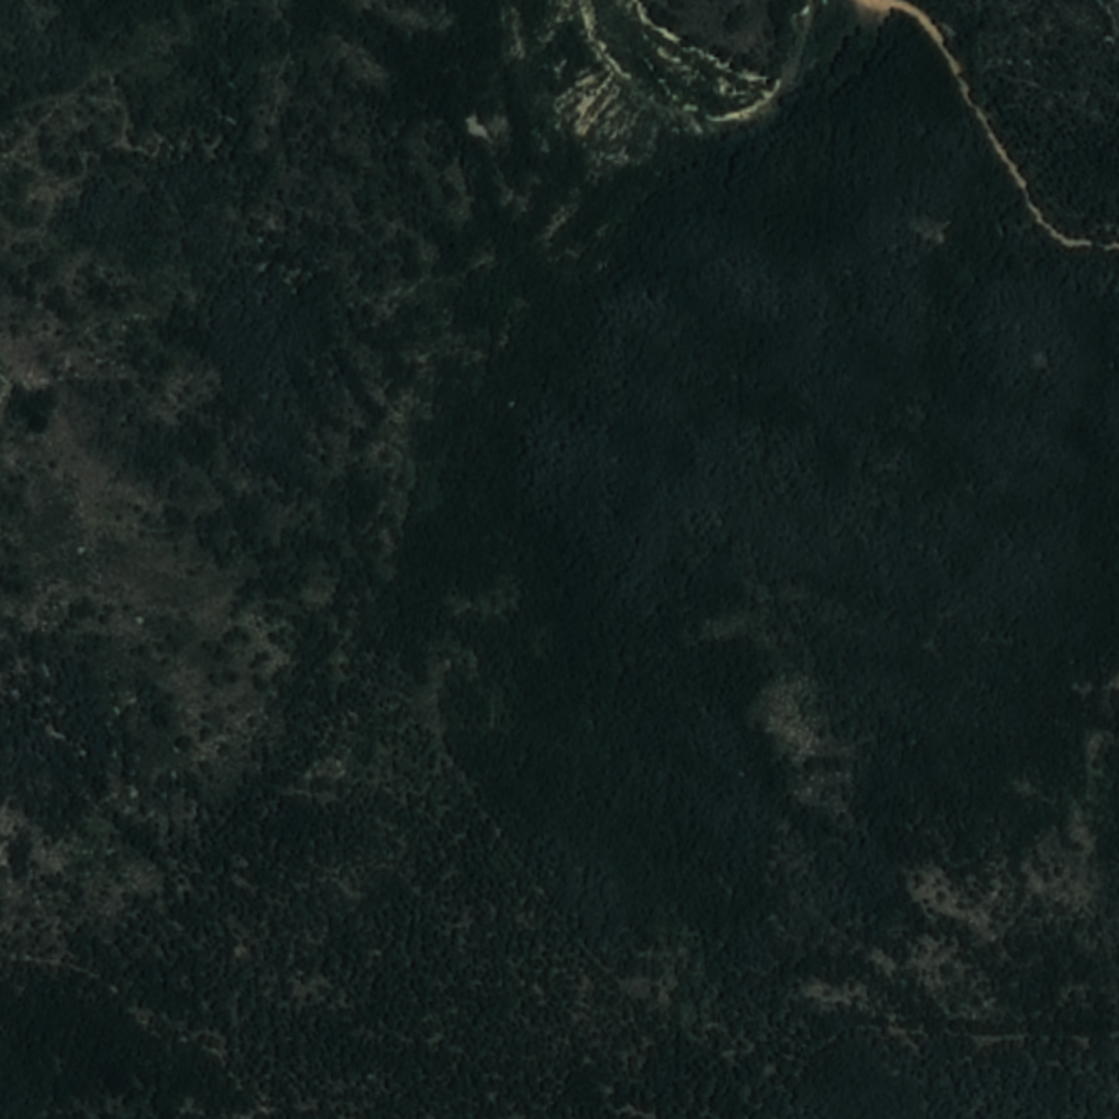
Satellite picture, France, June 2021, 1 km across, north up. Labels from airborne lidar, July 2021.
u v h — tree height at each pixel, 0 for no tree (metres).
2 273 7
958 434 12
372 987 7
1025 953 8
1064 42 10
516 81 8
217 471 8
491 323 10
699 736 8
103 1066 11
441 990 10
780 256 13
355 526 8
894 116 11
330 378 9
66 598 0
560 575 10
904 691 10
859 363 12
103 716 6
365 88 10
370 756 7
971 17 7
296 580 8
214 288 9
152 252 9
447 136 7
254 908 8
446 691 6
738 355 8
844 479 12
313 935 6
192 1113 8
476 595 9
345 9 8
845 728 9
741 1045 11
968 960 7
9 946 8
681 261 12
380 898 8
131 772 6
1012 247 12
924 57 13
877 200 12
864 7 0
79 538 0
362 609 8
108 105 0
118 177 10
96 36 9
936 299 9
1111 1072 8
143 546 0
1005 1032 8
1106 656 9
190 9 7
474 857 11
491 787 10
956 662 9
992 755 9
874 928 8
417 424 6
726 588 11
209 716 6
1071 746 9
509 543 12
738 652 11
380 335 6
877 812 9
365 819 7
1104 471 13
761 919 7
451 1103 11
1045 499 12
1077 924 8
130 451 6
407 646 7
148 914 10
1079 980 6
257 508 7
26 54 7
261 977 10
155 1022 9
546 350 11
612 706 11
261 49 6
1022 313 12
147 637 0
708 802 10
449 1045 12
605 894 16
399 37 10
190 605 0
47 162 6
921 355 12
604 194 12
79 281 6
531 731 9
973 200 12
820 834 7
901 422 6
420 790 7
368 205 7
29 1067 12
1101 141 9
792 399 11
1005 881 6
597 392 9
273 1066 12
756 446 12
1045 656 11
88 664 8
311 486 9
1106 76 8
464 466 8
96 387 7
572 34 14
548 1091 12
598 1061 11
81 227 8
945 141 19
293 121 7
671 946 7
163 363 7
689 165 8
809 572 6
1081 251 11
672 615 7
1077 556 12
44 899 6
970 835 9
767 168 9
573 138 7
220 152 12
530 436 9
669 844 12
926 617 11
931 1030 7
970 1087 8
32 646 7
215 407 8
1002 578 13
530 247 8
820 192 18
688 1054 12
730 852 11
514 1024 12
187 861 13
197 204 12
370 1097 11
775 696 0
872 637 10
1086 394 16
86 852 0
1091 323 11
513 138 7
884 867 12
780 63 7
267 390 10
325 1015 10
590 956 10
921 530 10
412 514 11
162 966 13
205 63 7
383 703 8
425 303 6
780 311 11
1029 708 9
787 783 6
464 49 10
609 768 11
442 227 9
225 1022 11
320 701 10
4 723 12
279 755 8
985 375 13
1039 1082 8
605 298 8
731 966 12
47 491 0
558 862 11
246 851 12
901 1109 9
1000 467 12
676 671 11
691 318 11
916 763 13
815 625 10
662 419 12
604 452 13
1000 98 11
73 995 11
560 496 11
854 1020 9
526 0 11
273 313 13
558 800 8
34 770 8
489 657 8
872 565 10
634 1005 6
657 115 8
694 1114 11
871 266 12
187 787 5
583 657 16
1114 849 7
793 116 10
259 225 8
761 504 10
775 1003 11
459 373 9
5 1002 7
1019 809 10
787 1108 11
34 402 7
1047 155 10
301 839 11
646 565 12
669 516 12
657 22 13
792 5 9
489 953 9
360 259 9
